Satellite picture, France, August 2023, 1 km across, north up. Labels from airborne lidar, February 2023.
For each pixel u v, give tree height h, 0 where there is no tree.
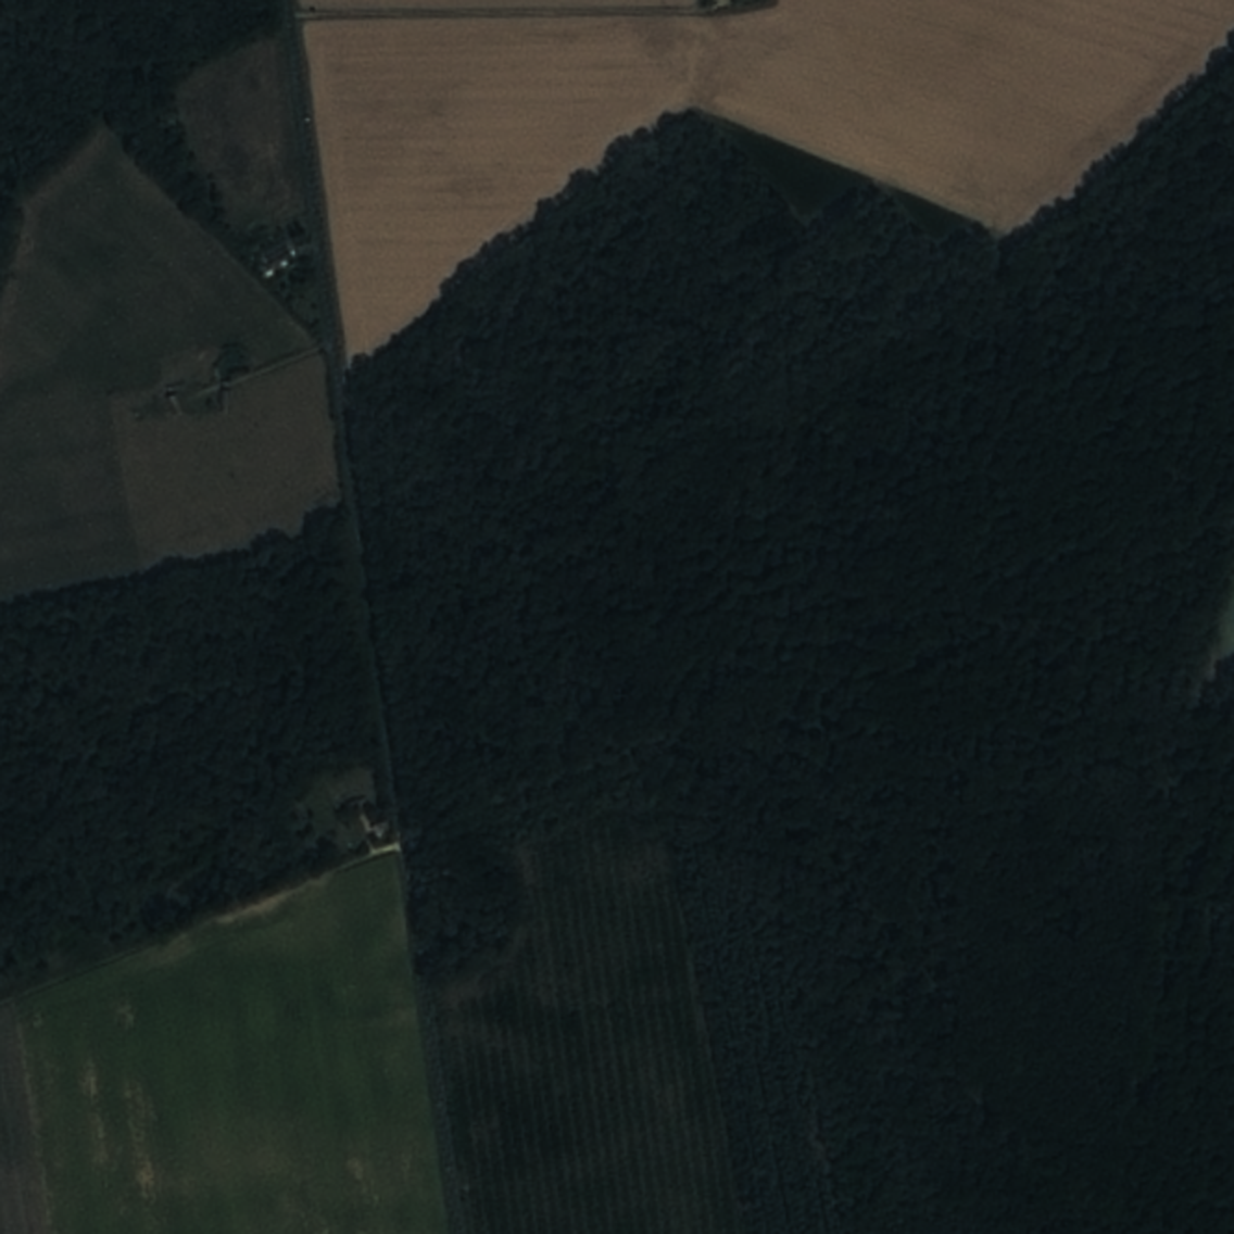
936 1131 19
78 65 22
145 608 21
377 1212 0
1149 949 26
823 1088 13
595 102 0
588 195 22
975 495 25
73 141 18
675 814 10
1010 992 25
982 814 22
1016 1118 22
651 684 20
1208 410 26
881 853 24
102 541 0
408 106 0
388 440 20
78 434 0
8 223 25
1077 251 11
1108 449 26
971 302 22
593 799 11
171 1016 0
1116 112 0
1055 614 23
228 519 0
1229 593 17
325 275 0
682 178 20
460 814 24
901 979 22
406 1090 0
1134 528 23
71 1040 0
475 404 17
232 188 0
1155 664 15
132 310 0
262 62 0
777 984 17
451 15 0
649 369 20
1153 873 22
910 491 19
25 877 14
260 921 0
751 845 18
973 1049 23
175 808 22
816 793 23
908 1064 17
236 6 24
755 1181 13
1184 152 21
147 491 0
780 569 20
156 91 17
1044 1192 23
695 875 8
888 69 0
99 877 22
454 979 24
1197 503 27
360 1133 0
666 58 0
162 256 0
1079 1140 23
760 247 20
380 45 0
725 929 17
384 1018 0
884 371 14
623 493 26
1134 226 21
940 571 24
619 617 22
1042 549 21
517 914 18
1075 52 0
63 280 0
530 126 0
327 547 18
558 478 22
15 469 0
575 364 9
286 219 0
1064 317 20
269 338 0
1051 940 21
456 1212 0
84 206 0
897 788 22
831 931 18
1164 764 19
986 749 24
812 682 21
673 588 12
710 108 0
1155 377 20
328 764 16
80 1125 0
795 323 19
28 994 0
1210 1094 19
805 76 0
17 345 0
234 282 0
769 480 17
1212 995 16
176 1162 0
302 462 0
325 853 15
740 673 18
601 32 0
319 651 18
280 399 0
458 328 19
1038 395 24
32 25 20
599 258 22
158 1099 0
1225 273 19
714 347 19
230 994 0
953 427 18
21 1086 0
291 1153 0
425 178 0
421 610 27
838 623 14
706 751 24
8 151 19
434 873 21
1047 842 24
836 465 17
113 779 16
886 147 0
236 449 0
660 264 17
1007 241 0
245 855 19
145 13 20
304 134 0
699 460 21
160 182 15
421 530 22
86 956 0
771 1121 13
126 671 19
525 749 21
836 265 18
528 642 22
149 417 0
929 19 0
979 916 24
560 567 20
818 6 0
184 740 16
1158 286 9
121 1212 0
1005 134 0
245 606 20
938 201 0
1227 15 0
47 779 20
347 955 0
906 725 17
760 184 19
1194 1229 22
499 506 20
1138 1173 22
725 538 18
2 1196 0
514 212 0
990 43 0
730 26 0
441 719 25
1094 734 21
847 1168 12
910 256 23
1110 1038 25
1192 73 0
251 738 27
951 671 22
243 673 20
